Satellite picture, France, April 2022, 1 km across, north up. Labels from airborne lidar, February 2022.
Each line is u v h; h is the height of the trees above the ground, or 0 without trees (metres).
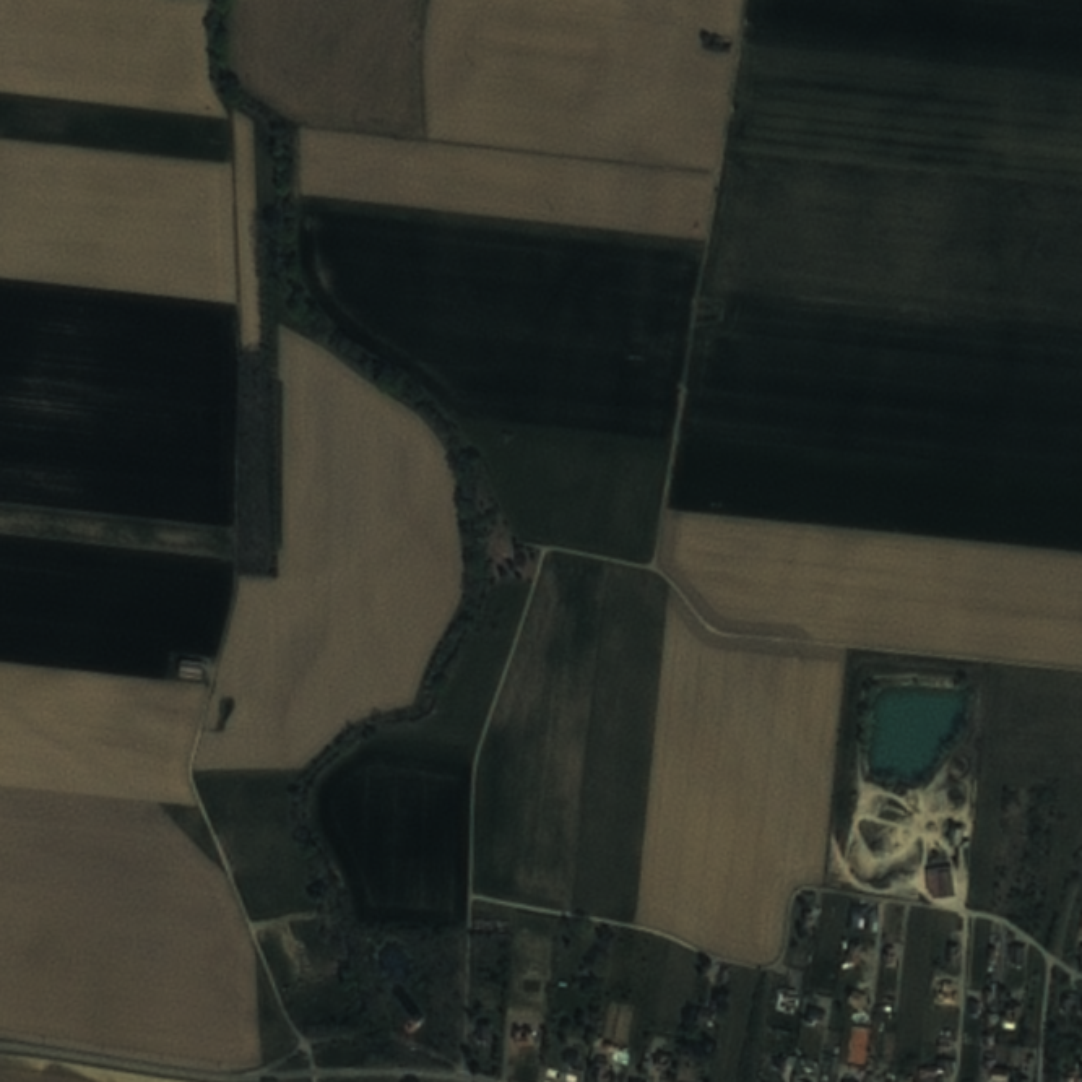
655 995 0
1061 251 0
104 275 0
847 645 0
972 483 0
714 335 0
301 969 0
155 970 0
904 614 0
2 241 0
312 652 0
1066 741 0
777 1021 0
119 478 0
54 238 0
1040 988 0
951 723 0
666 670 0
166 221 0
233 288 0
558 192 0
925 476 0
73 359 0
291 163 10
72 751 0
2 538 0
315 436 0
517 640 0
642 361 0
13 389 0
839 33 0
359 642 0
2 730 0
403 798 0
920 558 0
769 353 0
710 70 0
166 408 0
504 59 0
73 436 0
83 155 0
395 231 0
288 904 0
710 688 0
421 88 0
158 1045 0
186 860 0
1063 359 0
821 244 0
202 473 0
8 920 0
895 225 0
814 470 0
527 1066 0
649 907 0
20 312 0
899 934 0
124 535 0
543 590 0
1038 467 0
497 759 0
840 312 0
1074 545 0
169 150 0
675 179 0
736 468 0
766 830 0
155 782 0
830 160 0
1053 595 0
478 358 0
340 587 0
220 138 0
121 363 0
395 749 0
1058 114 0
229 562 0
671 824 0
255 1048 0
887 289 0
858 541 0
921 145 0
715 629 0
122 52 0
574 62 0
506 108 0
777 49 0
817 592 0
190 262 0
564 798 0
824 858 0
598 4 0
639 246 0
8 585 0
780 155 0
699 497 0
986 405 0
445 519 0
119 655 0
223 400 0
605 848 0
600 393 0
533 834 0
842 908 0
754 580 0
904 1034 0
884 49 0
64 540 0
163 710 0
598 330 0
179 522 0
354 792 0
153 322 0
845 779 0
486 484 14
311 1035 10
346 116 0
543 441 0
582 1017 10
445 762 0
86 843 0
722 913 0
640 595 0
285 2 0
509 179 0
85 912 0
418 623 0
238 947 0
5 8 0
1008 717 0
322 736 0
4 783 0
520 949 0
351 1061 0
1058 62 0
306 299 16
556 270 0
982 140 0
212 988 0
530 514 0
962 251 0
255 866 0
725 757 0
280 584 0
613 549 0
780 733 0
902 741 0
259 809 0
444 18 0
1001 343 0
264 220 14
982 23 0
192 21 0
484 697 0
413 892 0
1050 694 0
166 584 0
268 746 0
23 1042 0
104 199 0
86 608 0
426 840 0
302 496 0
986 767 0
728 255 0
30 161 0
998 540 0
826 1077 0
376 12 0
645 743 0
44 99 0
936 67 0
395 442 0
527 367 0
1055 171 0
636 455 0
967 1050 0
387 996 14
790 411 0
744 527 0
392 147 0
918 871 0
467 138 0
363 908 0
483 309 0
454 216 0
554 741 0
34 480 0
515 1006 0
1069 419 0
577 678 0
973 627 0
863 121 0
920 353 0
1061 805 0
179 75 0
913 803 0
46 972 0
